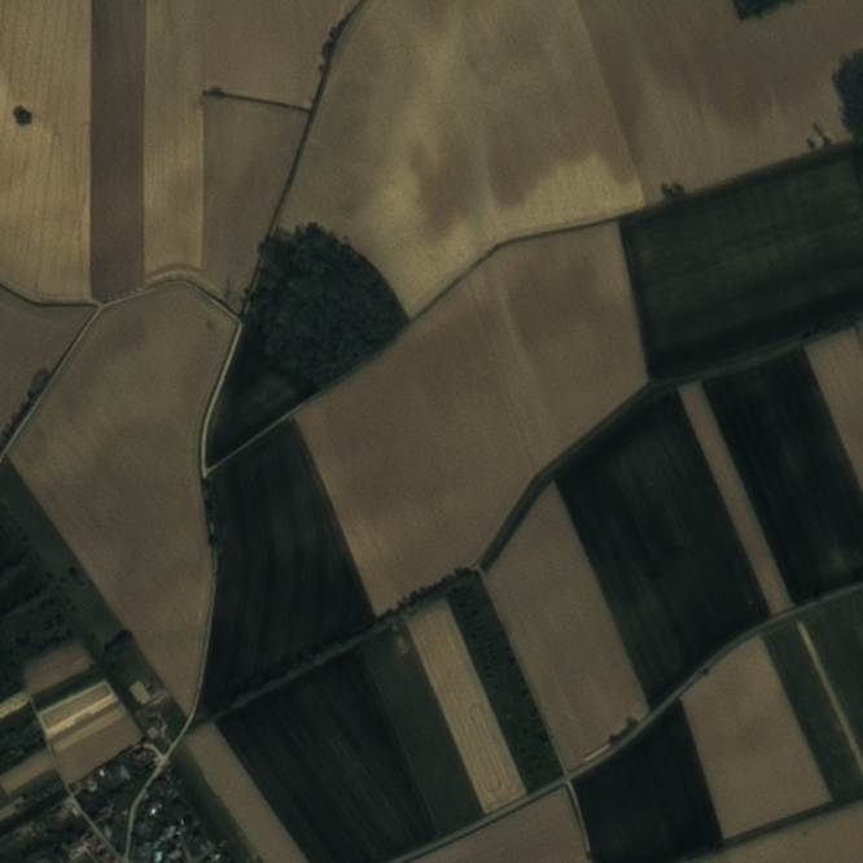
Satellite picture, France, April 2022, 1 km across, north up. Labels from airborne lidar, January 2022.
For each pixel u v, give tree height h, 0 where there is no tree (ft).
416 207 0
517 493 0
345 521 0
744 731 0
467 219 0
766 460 0
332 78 0
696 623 0
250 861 0
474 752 0
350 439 0
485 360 0
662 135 0
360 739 0
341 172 0
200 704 0
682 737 0
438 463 0
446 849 0
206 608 0
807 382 0
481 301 0
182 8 0
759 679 0
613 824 0
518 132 0
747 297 0
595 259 0
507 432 0
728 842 0
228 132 0
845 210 0
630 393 0
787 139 0
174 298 0
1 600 0
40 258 0
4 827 0
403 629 0
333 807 0
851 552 0
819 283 0
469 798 0
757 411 0
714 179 0
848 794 0
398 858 0
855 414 0
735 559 0
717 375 0
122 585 0
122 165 0
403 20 0
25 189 0
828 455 0
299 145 0
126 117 0
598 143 0
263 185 0
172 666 0
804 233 0
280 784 0
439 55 0
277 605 0
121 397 0
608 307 0
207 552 0
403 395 0
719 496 0
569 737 0
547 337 0
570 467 0
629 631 0
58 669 0
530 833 0
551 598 0
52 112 0
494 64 0
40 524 0
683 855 0
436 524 0
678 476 0
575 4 0
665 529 0
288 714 0
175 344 0
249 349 0
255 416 0
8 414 0
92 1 0
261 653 0
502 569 0
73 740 0
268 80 0
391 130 0
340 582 0
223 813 0
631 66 0
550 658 0
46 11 0
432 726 0
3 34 0
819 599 37
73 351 0
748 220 0
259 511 0
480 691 0
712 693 0
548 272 0
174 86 0
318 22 0
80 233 0
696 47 0
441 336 0
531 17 0
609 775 0
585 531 0
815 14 0
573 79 0
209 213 0
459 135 0
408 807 0
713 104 0
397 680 0
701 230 0
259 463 0
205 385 0
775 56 0
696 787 0
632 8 0
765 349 0
